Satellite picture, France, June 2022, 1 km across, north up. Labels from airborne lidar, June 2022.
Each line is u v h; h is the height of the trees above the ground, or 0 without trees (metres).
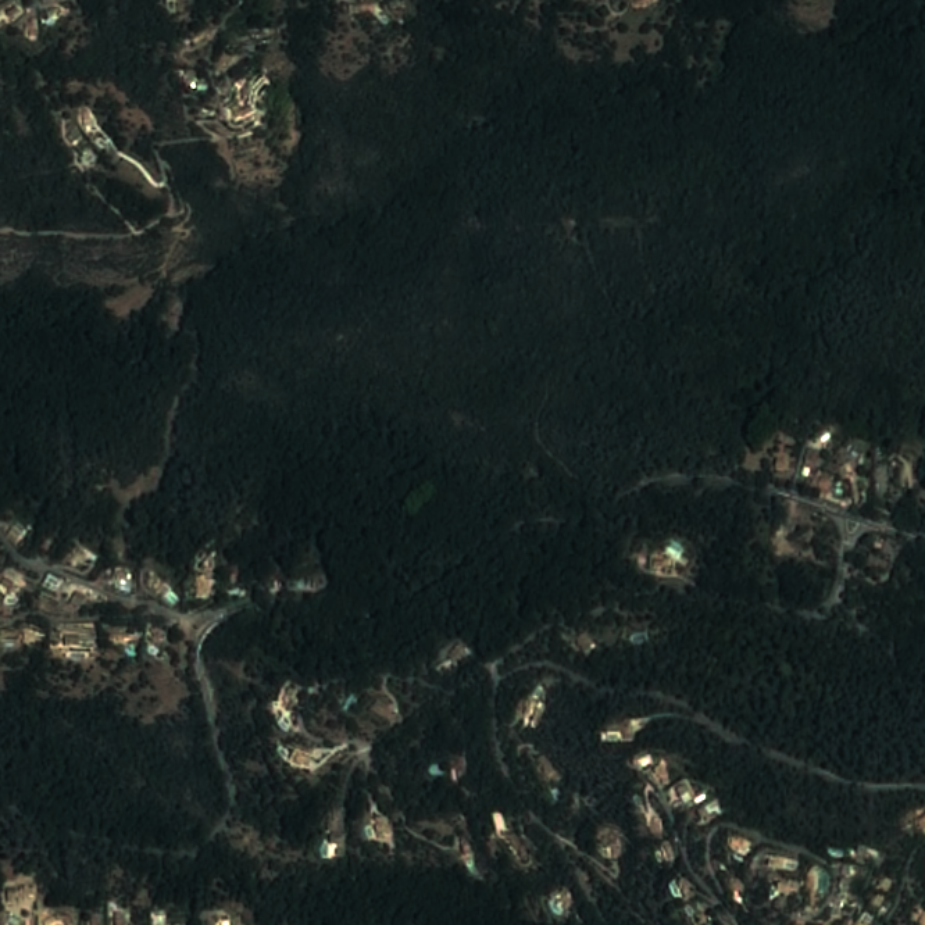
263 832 9
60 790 16
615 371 12
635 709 21
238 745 12
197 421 9
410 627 18
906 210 19
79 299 18
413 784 8
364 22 7
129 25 17
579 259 7
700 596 20
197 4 12
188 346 14
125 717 10
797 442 6
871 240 14
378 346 6
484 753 11
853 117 16
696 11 16
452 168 11
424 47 12
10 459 24
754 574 15
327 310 12
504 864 13
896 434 12
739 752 18
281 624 9
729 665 11
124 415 14
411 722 13
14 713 16
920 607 14
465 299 8
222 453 13
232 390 6
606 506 15
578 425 9
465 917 21
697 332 17
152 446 8
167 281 6
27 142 6
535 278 7
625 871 6
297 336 6
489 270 7
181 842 18
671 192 11
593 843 14
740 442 13
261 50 10
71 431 10
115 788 11
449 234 9
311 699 8
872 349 18
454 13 19
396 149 10
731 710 7
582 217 7
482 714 13
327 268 10
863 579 11
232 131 10
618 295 10
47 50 12
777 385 19
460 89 18
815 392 16
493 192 14
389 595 23
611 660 12
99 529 13
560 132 17
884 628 11
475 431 8
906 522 15
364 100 9
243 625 17
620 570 18
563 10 16
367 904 13
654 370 14
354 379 10
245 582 15
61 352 18
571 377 11
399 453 15
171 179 9
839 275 18
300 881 14
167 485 12
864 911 6
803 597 13
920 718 9
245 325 11
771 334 20
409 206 21
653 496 20
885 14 19
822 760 9
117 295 13
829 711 24
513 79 12
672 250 6
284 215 6
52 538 7
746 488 7
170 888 11
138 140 8
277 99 12
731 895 7
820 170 8
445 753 10
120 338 19
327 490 12
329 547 25
